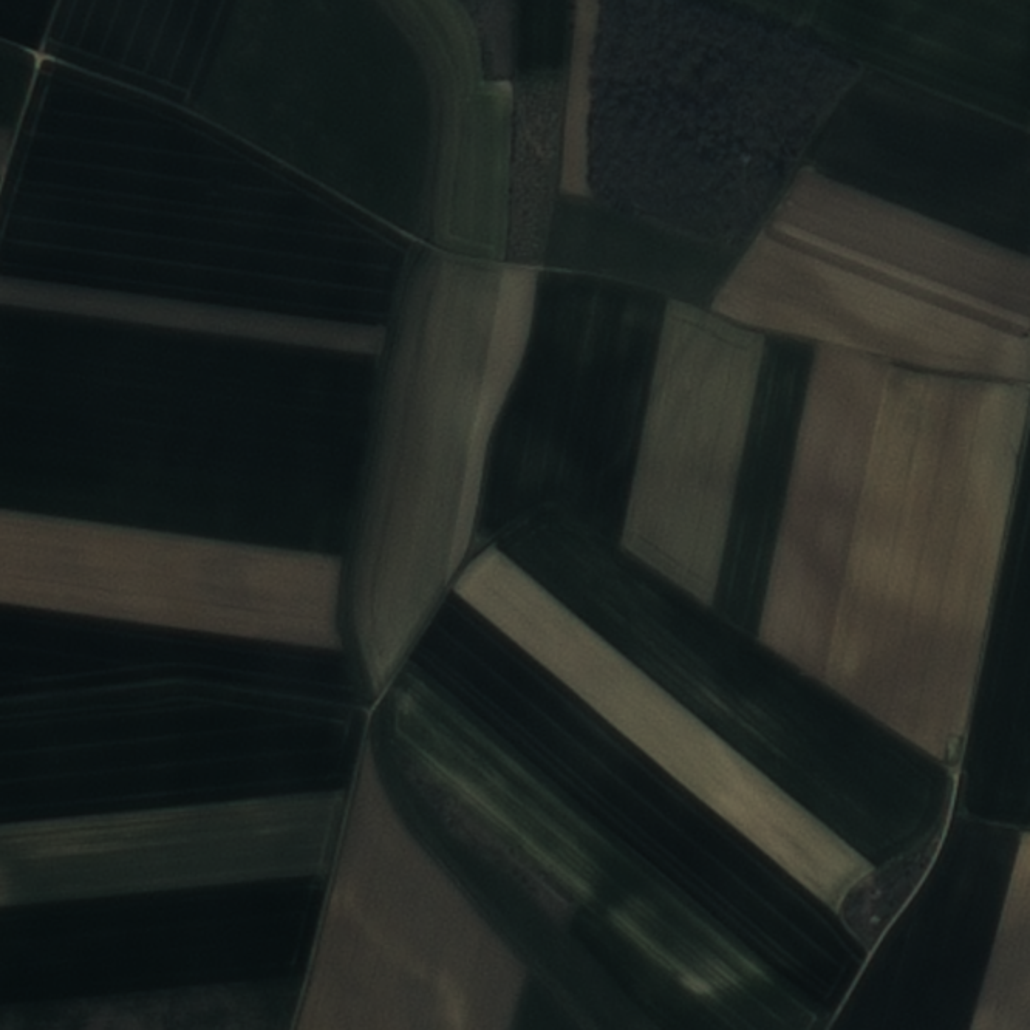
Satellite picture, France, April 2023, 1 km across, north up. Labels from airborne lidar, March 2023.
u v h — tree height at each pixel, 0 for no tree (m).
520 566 0
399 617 0
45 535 0
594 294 0
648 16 19
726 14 24
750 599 0
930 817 0
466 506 0
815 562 0
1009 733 0
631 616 0
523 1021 0
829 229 0
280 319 0
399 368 0
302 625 0
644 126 19
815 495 0
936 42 0
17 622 0
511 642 0
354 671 0
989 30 0
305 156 0
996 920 0
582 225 0
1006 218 0
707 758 0
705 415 0
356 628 0
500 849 0
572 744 0
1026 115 0
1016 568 0
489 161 0
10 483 0
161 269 0
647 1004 0
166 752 0
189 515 0
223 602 0
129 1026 0
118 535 0
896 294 0
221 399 0
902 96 0
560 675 0
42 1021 0
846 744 0
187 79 0
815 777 0
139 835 0
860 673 0
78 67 0
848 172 0
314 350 0
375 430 0
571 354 0
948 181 0
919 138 0
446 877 0
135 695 0
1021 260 0
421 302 0
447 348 0
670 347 0
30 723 0
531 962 0
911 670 0
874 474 0
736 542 0
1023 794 0
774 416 0
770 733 0
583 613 0
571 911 0
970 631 0
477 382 0
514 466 0
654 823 0
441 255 0
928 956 0
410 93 0
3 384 0
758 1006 0
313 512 0
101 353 0
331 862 0
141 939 0
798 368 0
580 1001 0
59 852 0
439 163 0
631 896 0
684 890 0
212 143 0
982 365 0
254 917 0
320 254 0
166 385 0
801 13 0
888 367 0
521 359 0
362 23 0
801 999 0
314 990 0
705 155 19
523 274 0
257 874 0
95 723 0
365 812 0
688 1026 0
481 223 0
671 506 0
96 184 0
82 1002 0
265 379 0
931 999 0
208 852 0
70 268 0
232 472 0
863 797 0
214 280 0
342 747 0
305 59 0
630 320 0
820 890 0
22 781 0
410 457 0
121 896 0
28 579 0
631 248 0
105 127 0
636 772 0
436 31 0
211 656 0
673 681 0
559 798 0
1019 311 0
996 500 0
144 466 0
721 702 0
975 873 0
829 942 0
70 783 0
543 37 0
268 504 0
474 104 0
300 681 0
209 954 0
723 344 0
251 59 0
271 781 0
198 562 0
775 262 0
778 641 0
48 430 0
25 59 0
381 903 0
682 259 0
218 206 0
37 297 0
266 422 0
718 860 0
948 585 0
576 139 0
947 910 0
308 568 0
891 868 0
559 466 0
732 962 0
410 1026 0
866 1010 0
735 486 0
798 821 0
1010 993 0
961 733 0
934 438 0
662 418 0
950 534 0
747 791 0
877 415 0
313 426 0
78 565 0
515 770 0
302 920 0
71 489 0
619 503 0
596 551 0
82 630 0
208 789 0
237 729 0
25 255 0
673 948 0
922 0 0
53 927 0
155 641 0
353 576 0
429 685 0
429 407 0
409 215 0
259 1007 0
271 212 0
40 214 0
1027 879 0
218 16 0
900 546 0
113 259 0
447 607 0
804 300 0
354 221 0
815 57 19
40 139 0
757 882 0
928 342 0
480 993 0
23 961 0
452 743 0
